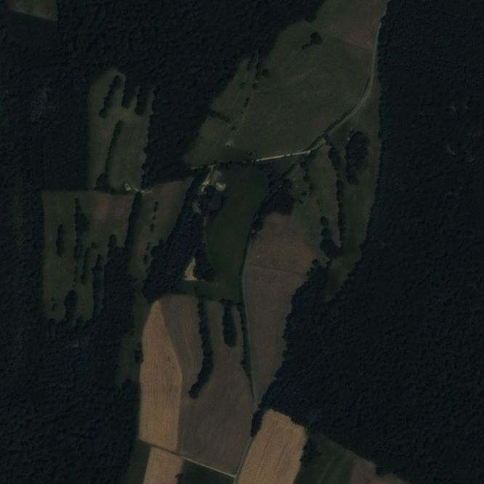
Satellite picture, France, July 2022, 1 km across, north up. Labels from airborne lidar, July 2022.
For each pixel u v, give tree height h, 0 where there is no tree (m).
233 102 0
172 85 22
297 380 21
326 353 17
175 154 22
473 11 18
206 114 22
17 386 17
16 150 22
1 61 25
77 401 26
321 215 0
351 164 14
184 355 0
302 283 0
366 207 0
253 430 11
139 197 13
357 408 21
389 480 0
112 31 29
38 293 22
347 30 0
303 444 0
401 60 19
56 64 13
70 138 20
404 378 18
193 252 24
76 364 20
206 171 13
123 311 18
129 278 12
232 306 11
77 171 14
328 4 0
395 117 15
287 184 19
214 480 0
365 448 21
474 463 18
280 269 0
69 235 0
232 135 0
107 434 30
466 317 18
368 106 0
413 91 17
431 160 19
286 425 0
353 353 18
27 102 18
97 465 32
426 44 20
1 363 23
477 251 20
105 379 9
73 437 29
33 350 26
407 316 23
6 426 19
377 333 17
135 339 0
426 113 22
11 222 15
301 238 0
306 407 19
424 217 18
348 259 0
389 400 23
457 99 23
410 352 21
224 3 18
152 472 0
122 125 7
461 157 25
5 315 20
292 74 0
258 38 22
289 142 0
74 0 32
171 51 29
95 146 0
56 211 0
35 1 0
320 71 0
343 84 0
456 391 18
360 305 17
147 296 19
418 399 12
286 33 0
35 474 17
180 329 0
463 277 21
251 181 0
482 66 15
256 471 0
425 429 19
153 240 0
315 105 0
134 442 13
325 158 0
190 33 19
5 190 18
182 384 0
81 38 30
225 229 0
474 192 10
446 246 22
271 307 0
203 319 15
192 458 0
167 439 0
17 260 26
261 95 0
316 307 26
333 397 19
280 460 0
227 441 0
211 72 26
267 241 0
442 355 16
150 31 27
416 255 20
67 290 0
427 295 21
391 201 14
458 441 24
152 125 19
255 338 0
